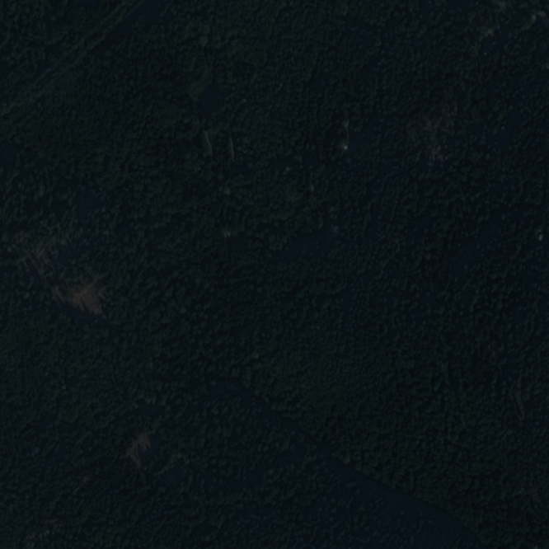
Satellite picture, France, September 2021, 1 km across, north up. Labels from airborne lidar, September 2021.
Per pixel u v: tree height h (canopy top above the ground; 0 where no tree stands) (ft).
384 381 96
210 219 87
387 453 98
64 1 64
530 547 106
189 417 121
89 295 0
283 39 59
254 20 68
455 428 70
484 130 24
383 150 115
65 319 101
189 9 111
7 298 81
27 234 80
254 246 109
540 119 60
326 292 116
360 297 107
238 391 68
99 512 52
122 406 77
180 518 99
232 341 73
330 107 85
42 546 92
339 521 101
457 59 67
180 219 22
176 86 64
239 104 71
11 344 84
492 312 39
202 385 79
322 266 125
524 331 111
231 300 64
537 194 98
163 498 88
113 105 66
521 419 56
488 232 44
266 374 91
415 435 84
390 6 92
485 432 59
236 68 27
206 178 88
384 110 60
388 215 114
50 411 80
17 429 99
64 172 79
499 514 90
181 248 80
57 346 72
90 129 59
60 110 55
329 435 94
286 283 114
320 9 96
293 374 68
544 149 89
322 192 80
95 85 55
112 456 71
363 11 77
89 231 72
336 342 81
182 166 100
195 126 75
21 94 81
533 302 92
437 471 89
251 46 79
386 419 103
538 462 91
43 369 73
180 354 67
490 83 17
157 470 73
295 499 93
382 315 103
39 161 89
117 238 68
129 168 29
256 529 98
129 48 72
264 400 98
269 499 112
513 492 103
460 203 87
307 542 109
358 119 62
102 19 92
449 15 62
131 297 76
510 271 57
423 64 88
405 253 104
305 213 22
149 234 77
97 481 82
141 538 95
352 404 104
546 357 93
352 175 110
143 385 86
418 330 100
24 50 87
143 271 85
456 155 105
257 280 101
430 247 74
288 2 79
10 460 74
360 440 101
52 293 45
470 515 89
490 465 96
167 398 124
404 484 76
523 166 77
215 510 56
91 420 90
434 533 96
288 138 63
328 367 79
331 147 60
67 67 83
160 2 83
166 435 107
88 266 55
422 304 20
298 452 85
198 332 98
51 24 50
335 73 80
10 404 83
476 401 83
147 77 73
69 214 81
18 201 30
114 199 101
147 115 73
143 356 70
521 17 42
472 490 90
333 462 45
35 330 80
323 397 89
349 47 86
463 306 49
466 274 93
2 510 81
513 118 32
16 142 87
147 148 69
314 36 81
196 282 117
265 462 82
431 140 83
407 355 70
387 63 86
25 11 80
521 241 87
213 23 78
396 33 75
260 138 68
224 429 107
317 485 89
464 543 93
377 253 94
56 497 98
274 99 77
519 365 75
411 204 92
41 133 51
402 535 107
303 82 52
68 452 98
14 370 73
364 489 76
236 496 101
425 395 99
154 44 56
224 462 97
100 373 74
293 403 47
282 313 92
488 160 87
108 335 71
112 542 63
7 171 120
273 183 81
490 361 101
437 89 101
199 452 88
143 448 0
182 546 39
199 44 94
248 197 92
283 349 94
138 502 82
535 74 79
